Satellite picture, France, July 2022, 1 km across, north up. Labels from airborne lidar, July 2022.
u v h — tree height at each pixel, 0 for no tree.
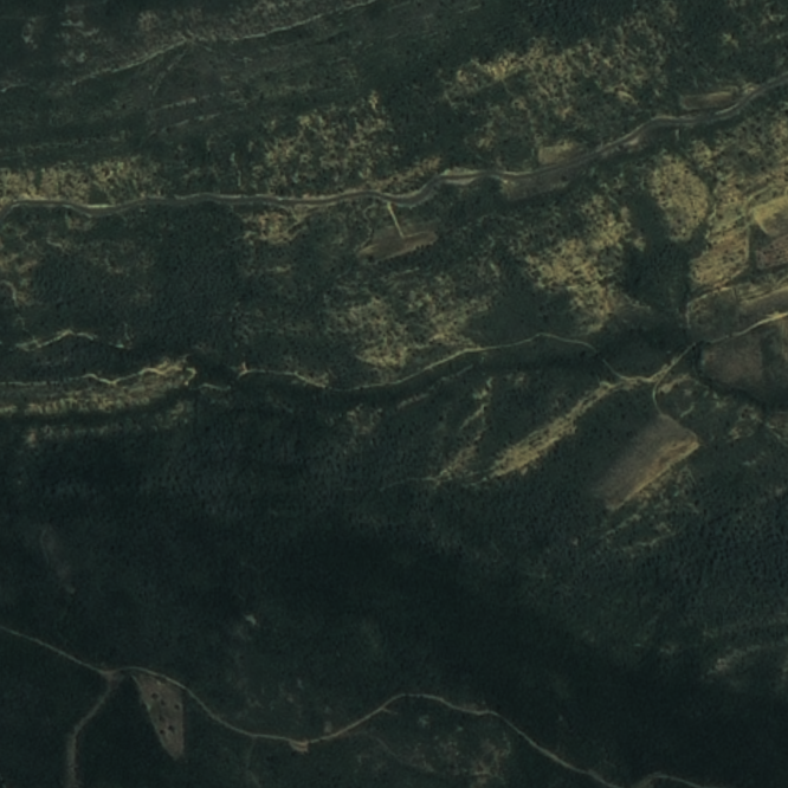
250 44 0
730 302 0
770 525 10
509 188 0
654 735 6
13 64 0
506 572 6
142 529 9
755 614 9
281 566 5
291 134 9
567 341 0
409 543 11
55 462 7
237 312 7
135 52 0
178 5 0
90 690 5
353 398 6
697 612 6
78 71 0
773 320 0
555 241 7
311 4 0
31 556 6
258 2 0
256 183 0
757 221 0
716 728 8
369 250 0
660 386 0
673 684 7
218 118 0
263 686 0
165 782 6
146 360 8
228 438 7
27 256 0
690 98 0
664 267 7
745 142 0
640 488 0
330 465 7
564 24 11
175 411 0
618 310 0
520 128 0
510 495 7
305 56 0
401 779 0
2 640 5
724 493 8
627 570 7
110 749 10
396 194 0
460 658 6
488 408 7
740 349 0
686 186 0
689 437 0
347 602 7
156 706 0
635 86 6
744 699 6
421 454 7
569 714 8
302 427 8
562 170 0
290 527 6
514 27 7
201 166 7
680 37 6
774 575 13
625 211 0
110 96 0
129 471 7
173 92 0
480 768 0
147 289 8
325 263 0
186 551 6
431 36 0
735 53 7
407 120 8
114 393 0
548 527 7
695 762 7
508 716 7
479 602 6
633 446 0
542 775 6
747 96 0
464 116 9
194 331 8
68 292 7
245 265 6
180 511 9
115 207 0
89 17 0
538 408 8
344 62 0
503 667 7
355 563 10
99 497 12
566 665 7
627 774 8
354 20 0
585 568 8
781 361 0
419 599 7
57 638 6
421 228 0
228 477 12
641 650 7
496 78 0
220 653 6
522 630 6
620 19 7
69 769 0
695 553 9
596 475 0
